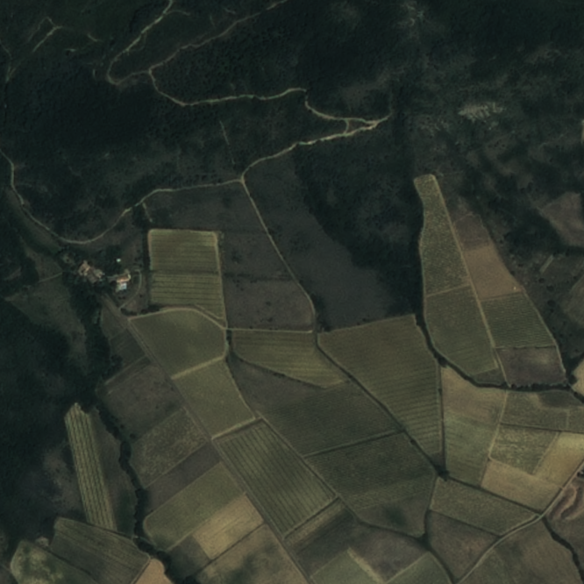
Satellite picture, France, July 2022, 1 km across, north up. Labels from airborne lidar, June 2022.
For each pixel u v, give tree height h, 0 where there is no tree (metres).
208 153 5
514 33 6
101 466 0
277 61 6
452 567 0
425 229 0
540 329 0
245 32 10
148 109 7
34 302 0
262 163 0
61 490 0
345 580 0
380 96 8
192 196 0
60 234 8
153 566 0
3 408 9
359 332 0
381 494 0
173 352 0
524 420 0
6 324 11
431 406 0
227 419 0
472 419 0
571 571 0
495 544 0
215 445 0
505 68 6
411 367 0
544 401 0
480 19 6
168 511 0
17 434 9
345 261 0
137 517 12
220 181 10
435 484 0
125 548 0
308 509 0
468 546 0
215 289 0
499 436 0
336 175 7
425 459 0
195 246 0
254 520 0
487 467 0
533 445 0
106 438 0
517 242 9
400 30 7
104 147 7
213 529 0
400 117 8
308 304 0
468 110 0
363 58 9
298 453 0
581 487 0
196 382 0
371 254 8
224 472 0
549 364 0
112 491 0
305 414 0
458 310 0
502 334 0
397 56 6
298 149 7
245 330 0
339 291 0
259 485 0
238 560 0
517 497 0
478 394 0
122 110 8
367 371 0
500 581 0
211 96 9
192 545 0
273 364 0
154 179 8
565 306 0
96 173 8
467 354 0
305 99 8
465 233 0
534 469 0
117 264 6
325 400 0
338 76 7
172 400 0
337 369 0
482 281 0
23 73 7
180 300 0
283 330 0
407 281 8
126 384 0
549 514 0
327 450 0
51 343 13
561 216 0
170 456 0
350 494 0
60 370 13
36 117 8
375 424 0
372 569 0
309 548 0
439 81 6
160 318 0
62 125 9
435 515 0
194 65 7
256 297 0
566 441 0
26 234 7
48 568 0
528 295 0
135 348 0
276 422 0
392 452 0
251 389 0
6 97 8
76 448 0
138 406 0
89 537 0
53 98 6
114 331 0
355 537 0
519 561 0
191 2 7
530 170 0
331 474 0
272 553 0
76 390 7
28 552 0
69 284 9
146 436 0
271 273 0
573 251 7
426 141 0
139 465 0
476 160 0
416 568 0
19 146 8
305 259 0
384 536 0
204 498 0
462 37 11
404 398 0
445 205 0
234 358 0
